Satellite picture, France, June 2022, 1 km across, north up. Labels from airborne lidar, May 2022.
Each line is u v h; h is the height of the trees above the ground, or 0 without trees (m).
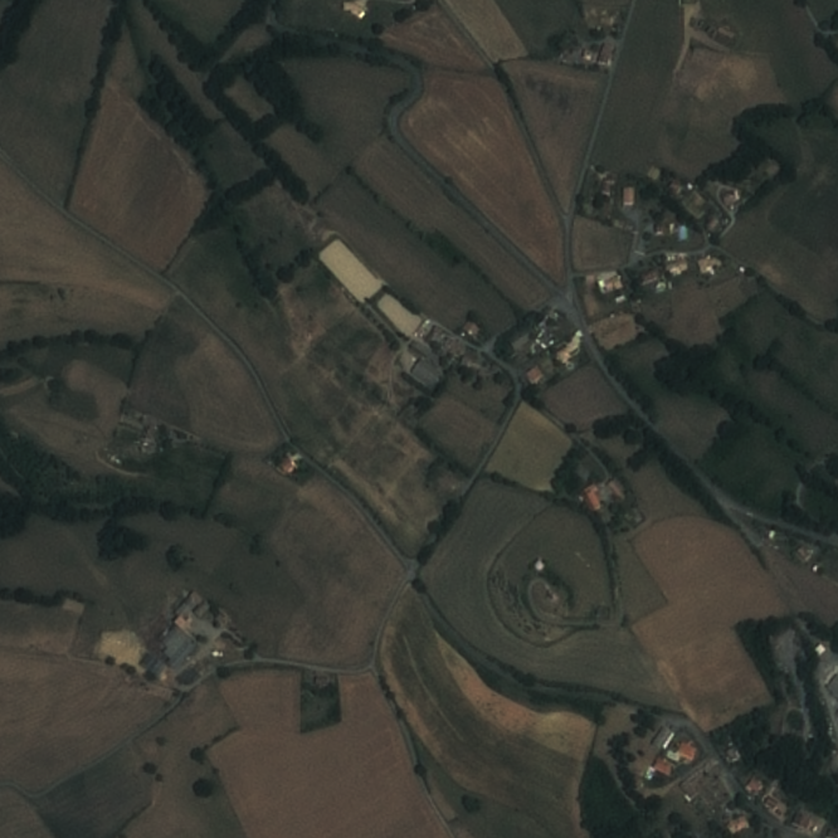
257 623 0
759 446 0
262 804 0
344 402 0
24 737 0
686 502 0
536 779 0
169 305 0
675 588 0
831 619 0
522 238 0
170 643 0
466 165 0
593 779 6
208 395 0
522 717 0
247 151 0
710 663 0
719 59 0
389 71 0
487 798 0
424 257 0
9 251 0
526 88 0
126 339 17
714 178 12
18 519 14
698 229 10
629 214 0
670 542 0
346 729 0
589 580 0
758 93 0
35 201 0
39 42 0
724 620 0
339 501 0
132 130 0
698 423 0
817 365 0
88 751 0
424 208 0
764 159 16
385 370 0
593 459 0
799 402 0
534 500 0
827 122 0
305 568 0
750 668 0
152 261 0
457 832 0
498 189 0
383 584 0
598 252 0
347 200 0
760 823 16
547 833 0
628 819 7
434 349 9
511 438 0
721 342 19
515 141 0
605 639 0
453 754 0
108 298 0
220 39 10
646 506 0
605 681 0
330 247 0
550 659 0
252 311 0
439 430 0
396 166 0
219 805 0
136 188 0
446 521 14
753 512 0
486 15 0
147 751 0
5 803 0
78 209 0
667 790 0
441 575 0
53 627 0
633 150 0
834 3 0
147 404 0
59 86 0
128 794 0
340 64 0
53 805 0
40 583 0
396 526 0
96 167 0
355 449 0
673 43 0
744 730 17
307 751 0
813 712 11
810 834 0
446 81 0
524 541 0
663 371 20
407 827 0
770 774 16
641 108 0
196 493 0
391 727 0
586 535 0
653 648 0
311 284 0
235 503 0
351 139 0
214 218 11
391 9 0
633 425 7
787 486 0
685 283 0
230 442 0
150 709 0
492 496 0
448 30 0
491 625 0
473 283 0
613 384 0
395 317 0
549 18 0
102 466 0
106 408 0
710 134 0
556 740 0
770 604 0
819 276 0
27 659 0
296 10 0
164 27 11
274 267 8
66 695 0
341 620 0
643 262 9
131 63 0
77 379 0
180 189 0
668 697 0
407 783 0
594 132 0
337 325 0
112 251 0
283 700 0
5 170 0
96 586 0
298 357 0
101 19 0
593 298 0
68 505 16
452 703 0
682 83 0
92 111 12
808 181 0
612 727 0
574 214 0
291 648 0
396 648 0
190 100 12
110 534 15
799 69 0
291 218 0
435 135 0
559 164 0
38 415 0
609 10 0
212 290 0
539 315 19
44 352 0
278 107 15
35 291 0
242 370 0
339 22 0
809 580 0
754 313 0
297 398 0
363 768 0
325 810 0
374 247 0
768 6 0
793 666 0
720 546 0
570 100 0
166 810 0
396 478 0
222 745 0
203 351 0
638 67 0
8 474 11
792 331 0
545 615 0
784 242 0
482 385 9
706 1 0
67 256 0
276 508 0
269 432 0
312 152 0
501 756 0
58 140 0
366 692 0
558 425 0
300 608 0
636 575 0
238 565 0
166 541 0
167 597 0
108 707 0
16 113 0
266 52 13
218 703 0
